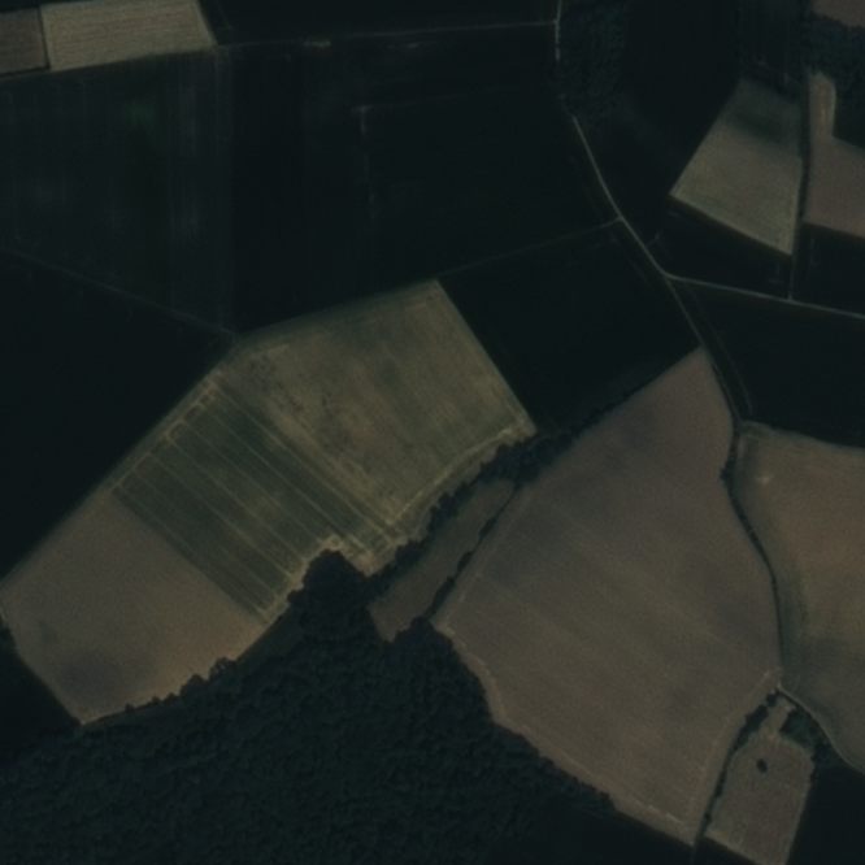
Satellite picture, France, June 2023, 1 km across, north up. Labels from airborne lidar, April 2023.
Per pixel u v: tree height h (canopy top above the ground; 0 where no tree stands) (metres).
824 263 0
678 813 0
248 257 0
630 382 0
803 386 0
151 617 0
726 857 0
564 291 0
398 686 27
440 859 24
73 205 0
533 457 21
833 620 0
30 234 0
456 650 22
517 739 17
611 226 0
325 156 0
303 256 0
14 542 0
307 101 0
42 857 26
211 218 0
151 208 0
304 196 0
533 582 0
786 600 0
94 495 0
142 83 0
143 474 0
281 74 0
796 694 0
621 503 0
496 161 0
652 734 0
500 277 0
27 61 0
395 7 0
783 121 0
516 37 0
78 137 0
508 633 0
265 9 0
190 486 0
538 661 0
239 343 0
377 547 0
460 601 0
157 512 0
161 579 0
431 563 0
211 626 0
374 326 0
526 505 0
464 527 0
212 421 0
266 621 0
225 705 24
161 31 0
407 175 0
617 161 0
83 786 27
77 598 0
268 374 0
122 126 0
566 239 0
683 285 0
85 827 29
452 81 0
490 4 0
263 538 0
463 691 27
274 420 0
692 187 0
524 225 0
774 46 0
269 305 0
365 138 0
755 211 0
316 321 0
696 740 0
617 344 0
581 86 11
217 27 0
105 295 0
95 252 0
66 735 15
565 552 0
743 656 0
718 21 0
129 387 0
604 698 0
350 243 0
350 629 9
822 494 0
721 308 0
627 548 0
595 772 0
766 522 0
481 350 0
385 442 0
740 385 0
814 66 20
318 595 25
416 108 0
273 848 29
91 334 0
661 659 0
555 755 0
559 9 0
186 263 0
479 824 23
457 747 21
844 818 0
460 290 0
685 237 0
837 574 0
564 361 0
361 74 0
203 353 0
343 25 0
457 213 0
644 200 0
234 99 0
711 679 0
